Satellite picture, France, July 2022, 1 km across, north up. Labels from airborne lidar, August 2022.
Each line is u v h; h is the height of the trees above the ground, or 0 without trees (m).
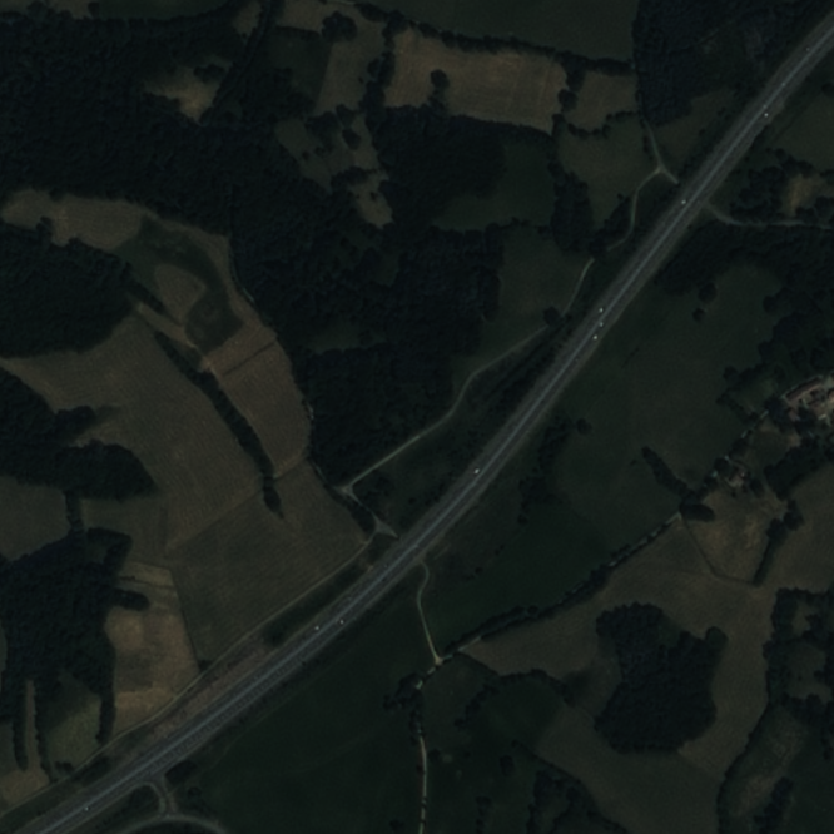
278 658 0
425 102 0
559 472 0
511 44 7
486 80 0
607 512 0
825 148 0
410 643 0
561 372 0
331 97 0
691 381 0
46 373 0
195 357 0
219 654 0
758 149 9
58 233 0
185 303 0
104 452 12
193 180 23
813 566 0
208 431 0
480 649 0
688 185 0
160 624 0
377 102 21
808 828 0
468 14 0
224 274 0
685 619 0
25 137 19
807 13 11
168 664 0
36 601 14
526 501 7
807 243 9
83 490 16
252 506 0
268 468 10
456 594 0
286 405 0
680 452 0
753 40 23
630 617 14
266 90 16
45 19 20
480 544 0
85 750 0
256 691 0
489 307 24
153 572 0
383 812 0
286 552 0
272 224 21
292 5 0
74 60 11
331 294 28
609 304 0
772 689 18
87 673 14
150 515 0
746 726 0
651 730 17
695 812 0
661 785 0
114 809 0
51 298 15
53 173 23
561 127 16
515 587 0
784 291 7
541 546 0
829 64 0
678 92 21
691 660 17
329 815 0
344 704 0
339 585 0
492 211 0
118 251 0
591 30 0
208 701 0
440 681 0
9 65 19
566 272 0
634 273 0
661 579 0
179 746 0
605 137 10
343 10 0
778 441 0
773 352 17
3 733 0
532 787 0
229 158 26
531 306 0
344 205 13
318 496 0
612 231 10
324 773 0
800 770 0
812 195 0
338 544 0
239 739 0
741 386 18
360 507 8
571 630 0
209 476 0
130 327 0
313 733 0
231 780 0
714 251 10
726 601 0
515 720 0
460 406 0
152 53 18
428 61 0
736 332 0
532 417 0
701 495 10
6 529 0
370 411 15
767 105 0
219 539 0
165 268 0
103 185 23
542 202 0
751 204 15
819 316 26
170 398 0
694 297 0
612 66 18
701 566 0
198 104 0
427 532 0
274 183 30
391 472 0
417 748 14
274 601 0
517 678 8
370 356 20
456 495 0
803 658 0
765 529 0
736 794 0
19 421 19
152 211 7
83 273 12
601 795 0
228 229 12
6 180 21
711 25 20
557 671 0
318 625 0
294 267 21
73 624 8
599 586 15
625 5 0
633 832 0
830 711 15
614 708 17
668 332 0
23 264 15
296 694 0
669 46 18
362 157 0
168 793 0
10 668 14
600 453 0
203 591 0
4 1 0
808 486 0
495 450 0
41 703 14
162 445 0
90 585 21
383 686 0
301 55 0
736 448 11
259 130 23
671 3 25
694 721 18
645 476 0
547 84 0
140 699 0
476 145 24
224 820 0
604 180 0
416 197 27
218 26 19
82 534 17
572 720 0
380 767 0
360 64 0
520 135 24
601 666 0
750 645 0
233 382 0
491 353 0
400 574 0
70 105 29
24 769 11
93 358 0
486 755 0
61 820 0
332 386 31
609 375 0
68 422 23
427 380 22
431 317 26
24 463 17
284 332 21
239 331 0
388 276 0
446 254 35
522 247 0
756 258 8
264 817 0
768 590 0
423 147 31
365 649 0
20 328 13
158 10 0
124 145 32
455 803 0
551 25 0
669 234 0
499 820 0
